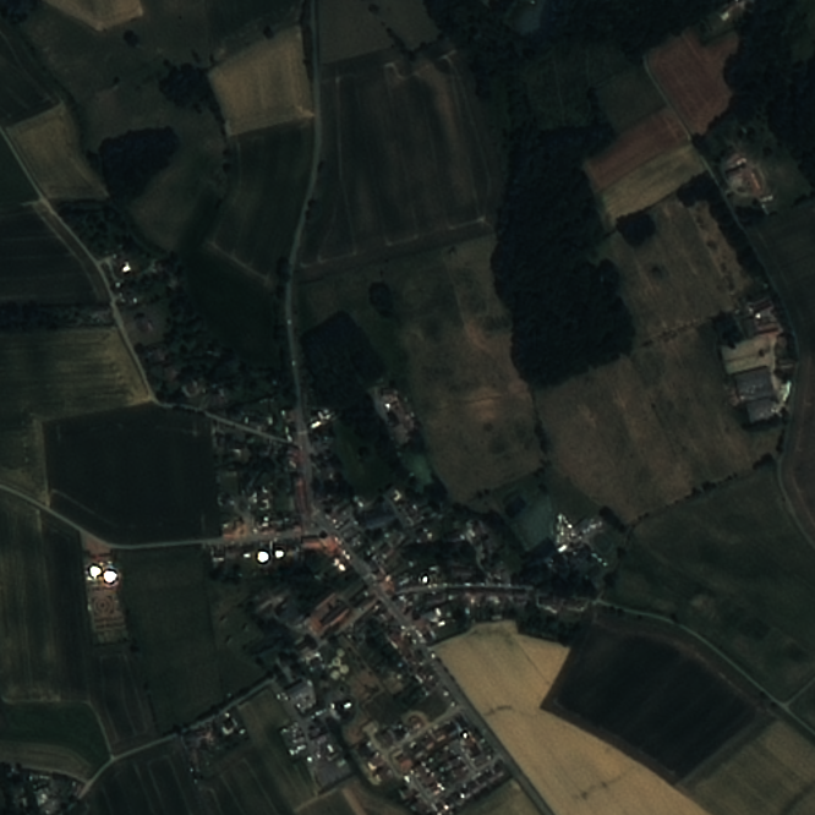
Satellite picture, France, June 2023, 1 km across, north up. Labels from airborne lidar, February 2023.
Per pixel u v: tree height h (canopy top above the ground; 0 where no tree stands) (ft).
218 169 0
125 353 0
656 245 0
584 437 0
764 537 0
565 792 0
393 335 0
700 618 0
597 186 0
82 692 0
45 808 0
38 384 0
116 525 0
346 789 0
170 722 0
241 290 0
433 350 0
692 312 0
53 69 0
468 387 0
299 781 0
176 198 0
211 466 0
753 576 0
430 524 23
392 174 0
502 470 0
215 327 0
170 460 0
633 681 0
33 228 0
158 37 0
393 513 24
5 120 0
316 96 0
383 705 0
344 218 0
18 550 0
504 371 0
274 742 0
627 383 0
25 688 0
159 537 0
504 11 58
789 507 0
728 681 0
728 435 0
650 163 0
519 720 0
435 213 0
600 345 91
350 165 0
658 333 0
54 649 0
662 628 0
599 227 75
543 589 75
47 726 0
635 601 0
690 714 0
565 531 0
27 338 0
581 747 0
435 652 0
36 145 0
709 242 0
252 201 0
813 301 0
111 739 0
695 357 0
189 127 0
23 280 0
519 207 87
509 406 0
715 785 0
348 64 0
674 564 0
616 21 77
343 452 0
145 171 75
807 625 0
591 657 0
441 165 0
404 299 0
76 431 0
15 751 0
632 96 0
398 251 0
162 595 0
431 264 0
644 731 0
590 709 0
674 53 0
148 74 0
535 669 0
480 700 0
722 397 0
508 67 80
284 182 0
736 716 0
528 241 91
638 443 0
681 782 0
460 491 0
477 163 0
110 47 0
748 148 0
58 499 0
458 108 0
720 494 0
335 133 0
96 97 0
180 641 0
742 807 0
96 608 0
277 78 0
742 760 0
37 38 0
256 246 0
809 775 0
